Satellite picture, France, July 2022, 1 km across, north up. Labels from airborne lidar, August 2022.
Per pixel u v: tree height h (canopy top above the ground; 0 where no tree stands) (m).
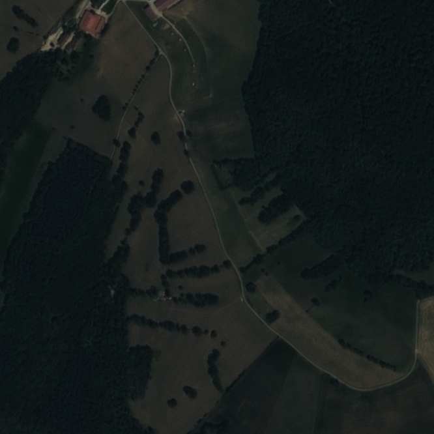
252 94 22
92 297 19
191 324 0
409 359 0
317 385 0
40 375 9
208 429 18
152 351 16
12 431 13
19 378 16
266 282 0
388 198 22
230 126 0
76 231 15
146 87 0
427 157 19
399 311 0
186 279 0
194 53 0
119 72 0
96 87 0
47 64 19
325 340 0
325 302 0
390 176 20
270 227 0
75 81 0
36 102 20
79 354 27
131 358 19
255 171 14
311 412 0
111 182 22
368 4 22
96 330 11
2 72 0
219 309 0
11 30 0
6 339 19
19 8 19
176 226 0
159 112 0
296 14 27
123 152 16
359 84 26
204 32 0
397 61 26
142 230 0
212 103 0
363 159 17
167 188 0
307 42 30
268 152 18
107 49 0
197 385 0
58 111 0
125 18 0
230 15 0
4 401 16
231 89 0
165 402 0
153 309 0
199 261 0
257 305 0
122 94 0
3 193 0
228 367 0
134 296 17
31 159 0
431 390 0
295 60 25
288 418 0
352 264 18
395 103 26
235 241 0
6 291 16
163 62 0
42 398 17
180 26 0
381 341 0
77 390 25
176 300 12
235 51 0
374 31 21
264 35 23
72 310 18
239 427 0
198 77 0
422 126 21
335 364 0
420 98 26
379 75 26
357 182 24
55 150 0
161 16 0
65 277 21
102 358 19
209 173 0
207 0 0
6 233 0
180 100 0
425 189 20
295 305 0
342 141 20
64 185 21
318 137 21
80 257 20
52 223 22
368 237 17
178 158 0
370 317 0
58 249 19
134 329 0
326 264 8
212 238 0
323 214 19
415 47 23
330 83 29
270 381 0
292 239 13
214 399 0
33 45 0
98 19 0
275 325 0
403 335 0
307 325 0
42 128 0
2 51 0
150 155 0
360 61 27
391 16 26
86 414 15
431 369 0
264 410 0
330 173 19
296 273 0
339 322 0
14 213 0
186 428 0
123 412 10
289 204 23
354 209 26
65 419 23
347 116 27
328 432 0
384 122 21
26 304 17
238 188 12
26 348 12
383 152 18
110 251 0
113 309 8
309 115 18
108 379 16
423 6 24
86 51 0
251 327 0
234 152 0
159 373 0
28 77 19
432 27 27
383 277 17
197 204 0
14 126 19
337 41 31
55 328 16
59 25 0
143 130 0
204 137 0
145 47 0
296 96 17
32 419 16
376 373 0
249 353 0
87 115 0
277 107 22
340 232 23
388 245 15
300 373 0
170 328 15
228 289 0
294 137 18
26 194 0
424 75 28
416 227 16
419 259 20
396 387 0
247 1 0
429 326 0
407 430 0
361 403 0
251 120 13
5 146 24
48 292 19
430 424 0
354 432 0
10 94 18
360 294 0
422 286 17
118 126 0
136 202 24
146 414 0
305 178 22
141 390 19
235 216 0
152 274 0
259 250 0
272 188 14
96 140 0
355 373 0
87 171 21
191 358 0
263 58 17
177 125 0
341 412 0
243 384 0
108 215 22
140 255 0
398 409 0
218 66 0
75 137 0
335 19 27
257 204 0
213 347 0
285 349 0
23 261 19
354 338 0
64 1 0
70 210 21
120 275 22
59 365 16
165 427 0
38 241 18
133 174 0
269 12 15
